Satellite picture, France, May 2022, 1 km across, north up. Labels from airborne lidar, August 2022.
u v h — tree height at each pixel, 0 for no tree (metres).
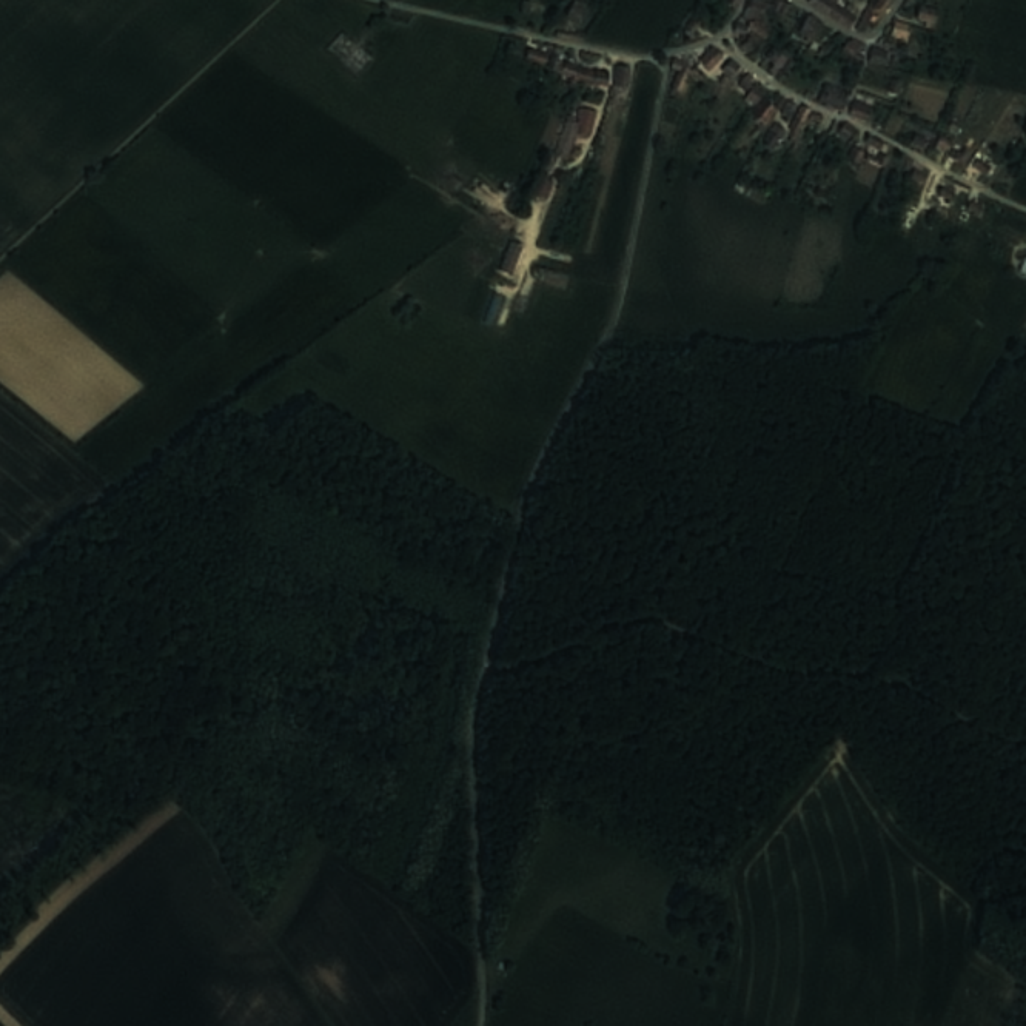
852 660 20
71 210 0
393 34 0
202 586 19
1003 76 0
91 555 23
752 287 0
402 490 24
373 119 0
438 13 0
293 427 27
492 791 24
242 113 0
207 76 0
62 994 0
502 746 23
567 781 21
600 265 0
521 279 0
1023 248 0
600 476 19
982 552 20
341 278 0
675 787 22
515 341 0
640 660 21
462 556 26
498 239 0
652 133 0
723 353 16
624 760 25
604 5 7
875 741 18
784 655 20
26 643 25
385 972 0
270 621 27
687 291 0
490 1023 0
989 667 18
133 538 20
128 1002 0
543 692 16
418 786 11
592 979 0
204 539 20
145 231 0
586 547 24
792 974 0
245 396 13
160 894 0
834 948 0
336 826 18
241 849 13
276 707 24
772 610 21
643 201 0
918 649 21
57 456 0
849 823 0
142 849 0
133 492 18
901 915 0
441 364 0
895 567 9
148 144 0
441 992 0
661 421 22
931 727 24
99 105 0
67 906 0
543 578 20
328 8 0
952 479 17
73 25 0
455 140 0
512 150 0
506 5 0
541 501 19
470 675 19
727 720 20
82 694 23
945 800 17
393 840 12
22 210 0
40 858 9
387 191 0
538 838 18
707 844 23
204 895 0
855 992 0
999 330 0
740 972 0
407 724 26
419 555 21
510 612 17
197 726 26
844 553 9
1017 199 0
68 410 0
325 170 0
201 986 0
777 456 21
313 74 0
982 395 9
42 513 0
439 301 0
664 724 14
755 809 21
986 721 15
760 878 0
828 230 0
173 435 0
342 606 29
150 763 23
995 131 0
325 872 0
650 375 21
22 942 0
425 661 25
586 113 0
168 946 0
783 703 20
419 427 0
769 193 8
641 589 20
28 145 0
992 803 19
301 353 9
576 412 15
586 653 22
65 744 25
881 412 19
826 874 0
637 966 0
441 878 21
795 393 21
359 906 0
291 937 0
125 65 0
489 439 0
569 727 21
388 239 0
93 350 0
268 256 0
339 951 0
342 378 0
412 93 0
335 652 7
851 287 0
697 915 17
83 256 0
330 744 23
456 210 0
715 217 0
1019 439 21
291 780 18
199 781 19
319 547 28
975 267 0
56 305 0
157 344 0
